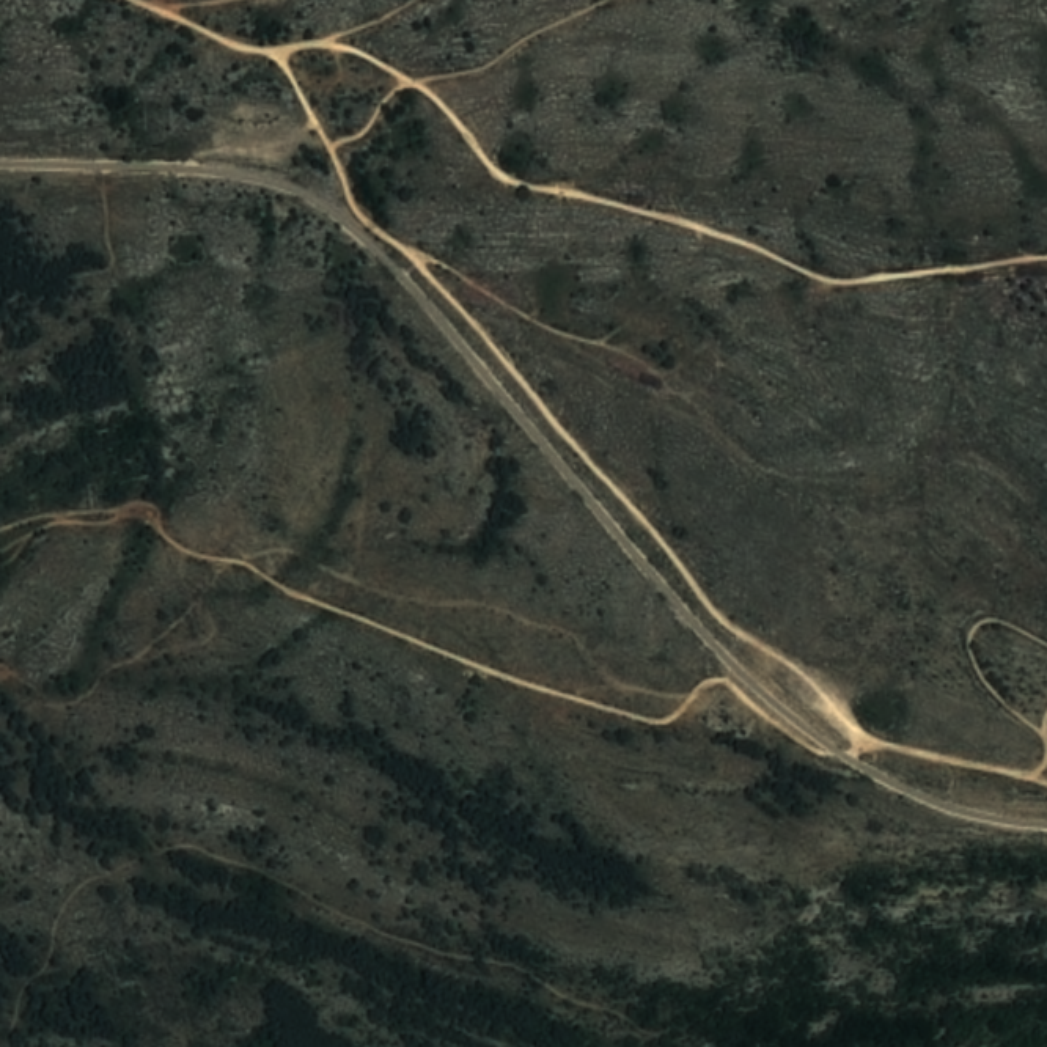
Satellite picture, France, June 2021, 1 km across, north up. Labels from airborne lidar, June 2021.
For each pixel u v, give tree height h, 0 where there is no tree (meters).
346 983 8
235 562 0
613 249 0
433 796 10
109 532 0
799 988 7
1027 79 0
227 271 0
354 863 0
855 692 0
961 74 0
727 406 0
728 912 0
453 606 0
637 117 0
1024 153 0
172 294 0
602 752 0
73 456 9
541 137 0
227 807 0
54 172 0
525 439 0
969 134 0
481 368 0
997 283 0
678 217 0
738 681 0
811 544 0
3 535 0
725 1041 10
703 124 0
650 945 0
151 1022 0
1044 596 0
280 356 0
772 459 0
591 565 0
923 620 0
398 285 0
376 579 0
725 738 9
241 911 11
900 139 0
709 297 0
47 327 0
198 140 0
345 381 0
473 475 0
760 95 0
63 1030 7
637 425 0
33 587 0
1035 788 0
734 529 0
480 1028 6
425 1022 8
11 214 6
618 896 6
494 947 7
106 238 0
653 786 0
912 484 0
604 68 0
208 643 0
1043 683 0
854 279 0
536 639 0
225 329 0
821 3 0
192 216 0
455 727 0
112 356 11
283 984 10
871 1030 15
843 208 0
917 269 0
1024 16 0
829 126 0
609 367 0
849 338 0
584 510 0
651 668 0
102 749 6
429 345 0
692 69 0
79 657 0
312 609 0
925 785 0
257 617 0
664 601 0
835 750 0
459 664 0
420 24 6
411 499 0
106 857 5
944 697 0
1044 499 0
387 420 0
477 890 9
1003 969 13
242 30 7
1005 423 0
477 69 0
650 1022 6
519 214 0
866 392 0
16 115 0
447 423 0
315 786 0
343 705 7
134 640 0
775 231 0
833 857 0
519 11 0
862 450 0
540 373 0
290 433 0
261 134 0
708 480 0
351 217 0
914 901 0
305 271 0
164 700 0
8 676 0
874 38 0
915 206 0
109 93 14
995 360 0
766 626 0
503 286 0
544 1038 7
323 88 0
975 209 0
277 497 0
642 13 0
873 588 0
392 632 0
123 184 0
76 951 0
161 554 0
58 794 11
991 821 0
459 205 0
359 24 0
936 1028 9
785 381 0
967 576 0
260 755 0
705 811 0
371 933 0
